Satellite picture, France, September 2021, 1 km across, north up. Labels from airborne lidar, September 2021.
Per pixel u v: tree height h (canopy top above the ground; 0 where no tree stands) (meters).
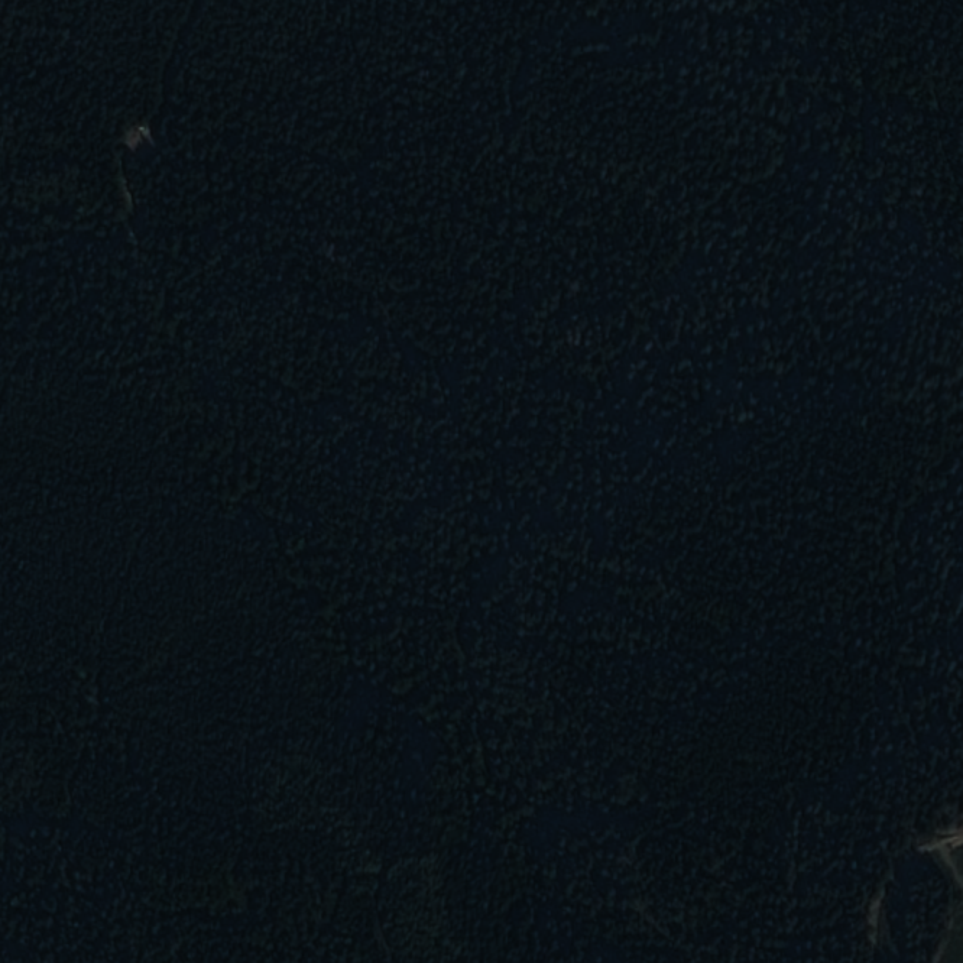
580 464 12
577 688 22
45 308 19
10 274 15
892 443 10
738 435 10
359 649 15
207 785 18
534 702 25
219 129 22
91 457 20
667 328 12
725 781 13
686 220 18
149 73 28
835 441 19
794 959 12
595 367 22
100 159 25
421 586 26
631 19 11
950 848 0
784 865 20
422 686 23
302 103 29
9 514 21
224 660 17
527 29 21
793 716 15
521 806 35
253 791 19
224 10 26
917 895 24
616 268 27
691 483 16
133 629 19
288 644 17
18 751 29
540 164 28
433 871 19
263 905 23
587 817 17
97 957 28
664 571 16
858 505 18
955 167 15
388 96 27
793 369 9
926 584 16
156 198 15
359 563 17
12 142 17
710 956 24
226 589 20
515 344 14
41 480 20
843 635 13
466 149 24
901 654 30
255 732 18
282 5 27
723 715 25
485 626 18
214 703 22
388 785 15
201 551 18
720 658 18
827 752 12
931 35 20
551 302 32
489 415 29
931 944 21
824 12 20
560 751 11
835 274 30
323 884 21
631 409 19
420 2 28
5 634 16
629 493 8
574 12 12
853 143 27
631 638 28
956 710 15
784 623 19
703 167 29
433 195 30
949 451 22
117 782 20
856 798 23
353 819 15
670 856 17
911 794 28
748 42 20
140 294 25
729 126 28
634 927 28
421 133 27
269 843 16
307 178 23
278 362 27
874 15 18
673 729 18
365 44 35
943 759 23
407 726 12
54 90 27
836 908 22
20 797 25
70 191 24
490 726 15
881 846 24
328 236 20
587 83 26
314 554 19
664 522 16
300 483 17
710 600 18
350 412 28
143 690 19
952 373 31
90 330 19
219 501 23
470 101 21
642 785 10
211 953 9
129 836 20
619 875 23
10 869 30
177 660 18
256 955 13
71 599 20
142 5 25
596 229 15
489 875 14
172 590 19
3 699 20
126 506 18
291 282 18
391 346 10
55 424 18
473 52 27
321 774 19
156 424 17
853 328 34
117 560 19
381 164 30
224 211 9
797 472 17
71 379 20
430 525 30
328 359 25
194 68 29
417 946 21
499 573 13
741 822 19
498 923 13
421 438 21
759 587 27
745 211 20
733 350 15
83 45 34
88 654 19
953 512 10
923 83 25
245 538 8
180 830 23
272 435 15
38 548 20
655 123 26
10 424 19
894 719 26
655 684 33
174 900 16
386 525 18
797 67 23
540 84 25
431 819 16
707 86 31
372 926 15
